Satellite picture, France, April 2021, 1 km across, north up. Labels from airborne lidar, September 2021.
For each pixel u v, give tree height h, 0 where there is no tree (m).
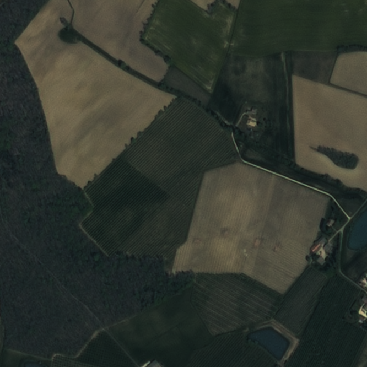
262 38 0
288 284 0
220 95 0
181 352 0
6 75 22
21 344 18
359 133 0
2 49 23
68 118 0
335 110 0
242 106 0
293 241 0
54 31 0
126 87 0
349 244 0
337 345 8
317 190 0
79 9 0
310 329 6
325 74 0
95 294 18
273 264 0
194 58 0
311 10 0
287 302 5
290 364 6
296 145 0
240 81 0
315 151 0
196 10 0
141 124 0
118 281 22
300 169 6
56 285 22
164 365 0
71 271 20
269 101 0
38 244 17
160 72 0
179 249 0
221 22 0
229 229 0
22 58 22
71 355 17
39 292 20
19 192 16
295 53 0
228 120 0
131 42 0
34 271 23
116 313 16
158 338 0
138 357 0
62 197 19
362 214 0
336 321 8
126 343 0
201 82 0
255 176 0
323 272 10
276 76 0
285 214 0
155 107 0
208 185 0
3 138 23
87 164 0
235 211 0
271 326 0
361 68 0
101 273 22
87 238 21
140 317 0
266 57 0
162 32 0
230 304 5
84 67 0
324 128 0
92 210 15
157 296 21
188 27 0
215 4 12
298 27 0
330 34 0
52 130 0
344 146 0
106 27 0
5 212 15
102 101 0
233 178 0
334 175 0
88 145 0
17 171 13
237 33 0
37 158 20
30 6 17
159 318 0
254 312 6
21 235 18
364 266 0
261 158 0
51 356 12
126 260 19
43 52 0
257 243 0
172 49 0
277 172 0
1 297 17
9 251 19
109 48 0
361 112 0
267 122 11
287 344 0
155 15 0
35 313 21
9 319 20
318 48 0
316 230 0
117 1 0
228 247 0
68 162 0
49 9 0
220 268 0
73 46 0
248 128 0
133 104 0
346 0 0
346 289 6
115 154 0
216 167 0
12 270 21
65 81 0
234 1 0
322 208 0
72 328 16
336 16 0
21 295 20
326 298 6
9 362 0
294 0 0
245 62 0
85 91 0
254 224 0
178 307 0
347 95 0
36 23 0
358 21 0
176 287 21
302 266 0
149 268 18
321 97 0
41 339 20
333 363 6
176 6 0
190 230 0
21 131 20
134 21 0
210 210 0
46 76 0
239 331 0
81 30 0
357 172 0
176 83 0
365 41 0
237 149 0
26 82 19
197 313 0
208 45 0
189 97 6
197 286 6
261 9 0
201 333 0
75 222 25
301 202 0
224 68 0
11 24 15
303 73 0
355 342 6
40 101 12
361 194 12
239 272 0
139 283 20
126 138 0
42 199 18
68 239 27
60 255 19
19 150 19
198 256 0
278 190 0
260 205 0
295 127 0
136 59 0
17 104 13
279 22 0
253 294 5
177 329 0
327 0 0
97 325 18
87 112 0
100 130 0
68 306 15
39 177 19
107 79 0
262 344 0
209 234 0
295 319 6
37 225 20
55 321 21
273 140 0
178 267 0
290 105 0
